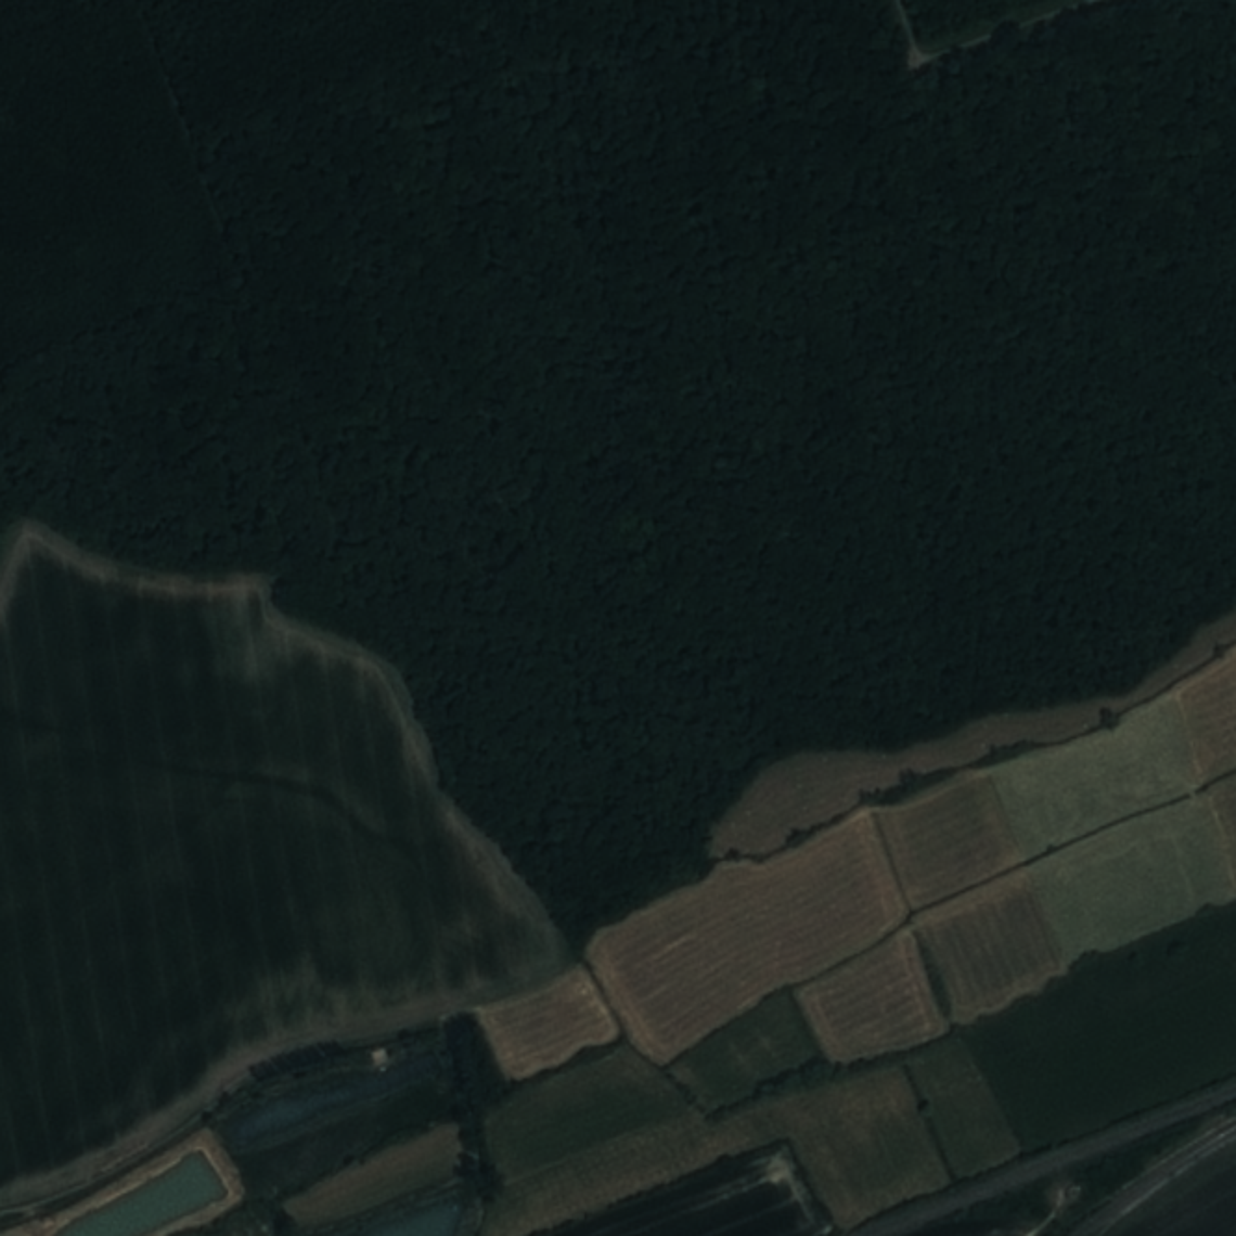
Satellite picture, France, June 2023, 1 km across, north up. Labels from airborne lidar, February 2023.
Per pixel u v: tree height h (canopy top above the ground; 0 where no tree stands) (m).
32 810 0
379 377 24
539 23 24
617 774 26
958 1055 0
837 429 24
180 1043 0
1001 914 0
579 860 23
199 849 0
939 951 0
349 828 0
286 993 0
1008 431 22
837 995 0
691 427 25
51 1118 0
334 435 24
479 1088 34
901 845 0
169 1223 0
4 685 0
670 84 24
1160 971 0
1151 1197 0
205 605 0
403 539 23
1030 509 21
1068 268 20
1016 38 24
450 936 0
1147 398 22
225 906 0
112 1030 0
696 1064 0
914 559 27
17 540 0
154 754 0
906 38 17
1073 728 0
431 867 0
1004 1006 0
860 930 0
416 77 26
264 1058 0
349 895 0
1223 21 22
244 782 0
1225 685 0
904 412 26
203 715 0
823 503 23
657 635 24
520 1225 0
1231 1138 0
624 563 21
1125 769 0
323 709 0
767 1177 0
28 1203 0
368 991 0
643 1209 0
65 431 26
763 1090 11
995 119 22
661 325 22
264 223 28
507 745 25
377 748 0
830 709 18
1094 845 0
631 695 27
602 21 26
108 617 0
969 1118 0
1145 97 23
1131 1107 0
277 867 0
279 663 0
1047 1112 0
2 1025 0
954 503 24
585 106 25
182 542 23
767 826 0
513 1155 0
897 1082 0
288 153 25
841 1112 0
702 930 0
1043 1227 0
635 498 24
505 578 28
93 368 26
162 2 22
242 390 23
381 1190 0
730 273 23
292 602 18
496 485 23
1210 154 22
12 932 0
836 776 0
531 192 21
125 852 0
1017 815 0
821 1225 0
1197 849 0
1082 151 20
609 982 0
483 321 25
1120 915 0
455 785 18
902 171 19
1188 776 0
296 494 26
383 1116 0
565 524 23
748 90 27
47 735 0
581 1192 0
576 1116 0
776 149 23
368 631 17
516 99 22
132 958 0
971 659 22
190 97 21
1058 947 0
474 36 28
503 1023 0
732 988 0
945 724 13
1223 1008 0
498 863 0
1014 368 22
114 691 0
